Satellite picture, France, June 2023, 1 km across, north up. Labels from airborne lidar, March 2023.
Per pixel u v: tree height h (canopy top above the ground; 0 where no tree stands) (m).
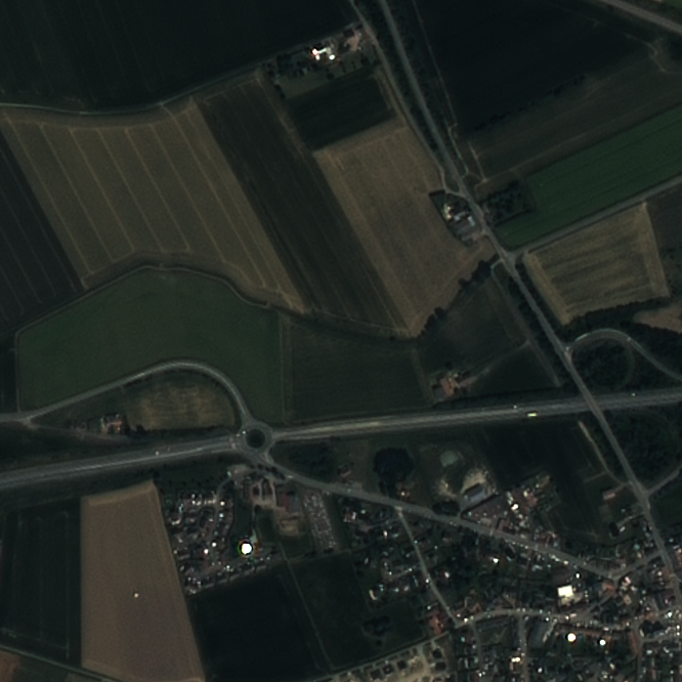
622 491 0
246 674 0
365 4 13
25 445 0
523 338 0
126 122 0
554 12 0
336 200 0
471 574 11
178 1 0
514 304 0
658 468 9
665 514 0
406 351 0
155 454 0
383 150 0
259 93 0
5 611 0
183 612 0
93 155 0
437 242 0
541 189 0
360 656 0
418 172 0
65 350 0
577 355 7
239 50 0
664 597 0
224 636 0
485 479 0
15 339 0
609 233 0
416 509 0
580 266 0
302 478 0
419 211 0
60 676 0
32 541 0
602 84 0
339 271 0
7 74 0
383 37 10
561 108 0
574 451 0
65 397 0
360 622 0
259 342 0
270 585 0
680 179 0
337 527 0
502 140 0
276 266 0
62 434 0
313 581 0
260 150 0
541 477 0
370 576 0
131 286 0
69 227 0
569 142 0
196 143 0
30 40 0
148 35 0
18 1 0
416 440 0
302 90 0
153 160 0
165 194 0
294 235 0
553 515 0
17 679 0
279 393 0
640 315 0
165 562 0
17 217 0
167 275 0
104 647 0
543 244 0
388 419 0
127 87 0
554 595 8
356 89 0
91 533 0
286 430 0
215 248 0
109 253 0
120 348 0
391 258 0
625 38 0
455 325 0
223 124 0
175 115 0
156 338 0
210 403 0
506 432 0
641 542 6
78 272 0
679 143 0
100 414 0
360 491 0
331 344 0
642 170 0
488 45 0
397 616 0
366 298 0
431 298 0
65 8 0
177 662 0
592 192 0
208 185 0
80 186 0
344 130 0
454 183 0
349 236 0
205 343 0
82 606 0
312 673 0
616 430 8
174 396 0
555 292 0
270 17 0
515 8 0
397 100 0
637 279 0
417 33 0
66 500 0
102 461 0
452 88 0
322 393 0
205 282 0
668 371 0
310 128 0
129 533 0
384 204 0
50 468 0
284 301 0
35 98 0
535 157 0
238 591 0
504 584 0
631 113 0
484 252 0
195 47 0
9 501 0
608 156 0
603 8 0
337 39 0
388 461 26
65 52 0
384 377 0
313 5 0
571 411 0
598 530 0
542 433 0
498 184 0
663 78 0
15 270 0
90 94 0
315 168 0
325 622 0
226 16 0
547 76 0
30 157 0
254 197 0
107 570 0
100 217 0
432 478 0
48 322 0
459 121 0
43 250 0
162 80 0
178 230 0
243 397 0
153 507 0
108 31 0
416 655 0
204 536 0
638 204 0
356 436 0
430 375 0
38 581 0
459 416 0
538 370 0
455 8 0
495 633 0
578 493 0
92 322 0
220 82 0
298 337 0
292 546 0
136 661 0
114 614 0
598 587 0
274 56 0
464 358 0
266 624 0
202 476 0
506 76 0
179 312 0
